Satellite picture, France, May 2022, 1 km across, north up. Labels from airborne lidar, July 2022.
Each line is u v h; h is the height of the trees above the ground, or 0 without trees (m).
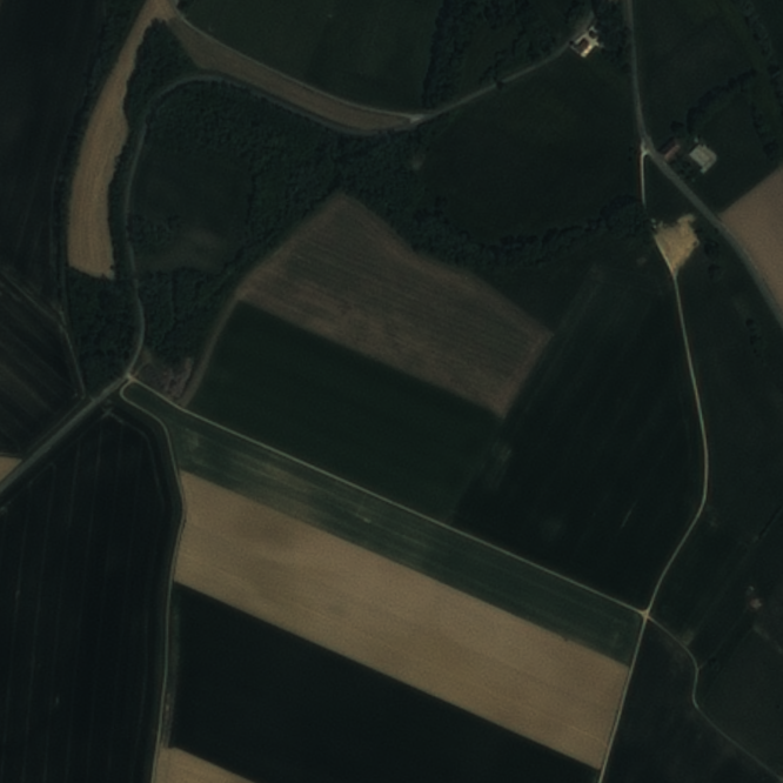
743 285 0
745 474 0
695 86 0
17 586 0
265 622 0
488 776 0
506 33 0
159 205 0
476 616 0
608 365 0
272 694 0
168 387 0
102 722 0
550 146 0
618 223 22
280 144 16
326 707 0
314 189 20
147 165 0
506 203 0
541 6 0
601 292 0
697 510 0
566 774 0
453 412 0
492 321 0
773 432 0
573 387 0
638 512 0
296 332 0
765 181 0
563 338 0
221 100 15
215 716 0
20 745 0
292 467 0
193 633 0
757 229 0
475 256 22
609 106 0
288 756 0
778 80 20
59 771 0
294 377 0
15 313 0
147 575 0
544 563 0
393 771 0
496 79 11
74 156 21
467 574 0
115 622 0
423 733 0
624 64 13
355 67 0
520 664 0
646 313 0
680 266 0
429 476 0
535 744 0
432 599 0
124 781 0
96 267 0
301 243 0
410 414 0
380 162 30
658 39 0
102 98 0
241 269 13
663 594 0
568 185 0
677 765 0
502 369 0
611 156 0
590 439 0
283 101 0
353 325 0
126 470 0
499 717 0
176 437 0
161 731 0
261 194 15
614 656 0
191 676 0
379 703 0
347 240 0
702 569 0
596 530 0
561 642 0
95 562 0
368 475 0
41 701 0
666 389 0
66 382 0
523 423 0
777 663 0
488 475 0
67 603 0
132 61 0
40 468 0
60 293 12
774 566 0
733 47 0
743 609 0
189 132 12
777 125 0
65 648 0
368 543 0
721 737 0
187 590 0
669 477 0
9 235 0
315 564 0
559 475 0
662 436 0
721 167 0
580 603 0
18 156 0
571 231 10
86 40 0
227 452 0
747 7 19
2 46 0
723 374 0
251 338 0
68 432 0
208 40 0
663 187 0
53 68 0
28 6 0
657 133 0
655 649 0
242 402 0
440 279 0
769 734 0
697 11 0
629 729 0
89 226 0
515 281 0
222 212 0
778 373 0
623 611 0
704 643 0
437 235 27
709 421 0
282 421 0
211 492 0
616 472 0
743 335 0
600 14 20
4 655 0
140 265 0
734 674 0
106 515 0
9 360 0
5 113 0
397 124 0
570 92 0
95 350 12
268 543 0
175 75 13
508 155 0
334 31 0
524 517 0
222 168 0
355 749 0
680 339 0
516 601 0
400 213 25
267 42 0
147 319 9
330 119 0
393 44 0
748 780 0
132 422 0
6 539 0
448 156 0
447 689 0
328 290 0
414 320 0
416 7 0
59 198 21
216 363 0
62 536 0
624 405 0
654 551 0
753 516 0
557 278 0
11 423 0
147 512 0
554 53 15
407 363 0
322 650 0
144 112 14
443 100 21
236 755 0
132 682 0
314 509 0
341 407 0
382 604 0
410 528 0
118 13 7
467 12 27
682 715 0
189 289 21
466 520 0
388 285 0
